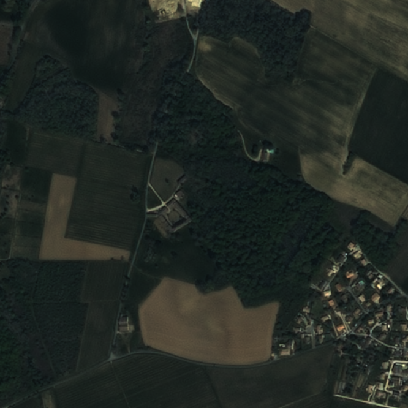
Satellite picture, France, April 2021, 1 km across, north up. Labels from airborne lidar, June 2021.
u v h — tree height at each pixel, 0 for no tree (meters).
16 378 18
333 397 0
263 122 0
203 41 0
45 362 0
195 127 20
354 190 0
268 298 16
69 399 0
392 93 0
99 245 0
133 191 0
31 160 0
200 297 0
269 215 24
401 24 0
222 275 17
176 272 0
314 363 0
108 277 0
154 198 0
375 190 0
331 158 0
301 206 21
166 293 0
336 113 0
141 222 0
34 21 0
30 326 9
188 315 0
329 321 7
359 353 12
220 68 0
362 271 8
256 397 0
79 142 0
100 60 0
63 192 0
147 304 0
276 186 21
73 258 0
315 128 0
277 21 9
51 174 0
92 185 0
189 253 0
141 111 0
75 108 19
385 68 0
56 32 0
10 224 0
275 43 16
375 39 0
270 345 0
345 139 0
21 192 0
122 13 0
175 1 0
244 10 17
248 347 0
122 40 0
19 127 0
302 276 20
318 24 0
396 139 0
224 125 20
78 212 0
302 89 0
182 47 0
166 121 18
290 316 0
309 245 25
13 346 23
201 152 10
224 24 18
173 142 15
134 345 0
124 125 0
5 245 9
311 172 0
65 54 0
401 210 0
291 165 0
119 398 0
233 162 17
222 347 0
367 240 18
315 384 0
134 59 0
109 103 0
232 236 20
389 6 0
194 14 0
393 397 6
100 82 0
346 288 0
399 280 0
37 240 0
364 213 13
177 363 0
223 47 0
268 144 13
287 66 17
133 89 0
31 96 7
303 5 0
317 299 7
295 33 12
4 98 10
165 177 0
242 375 0
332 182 0
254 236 22
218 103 15
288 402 0
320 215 18
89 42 0
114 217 0
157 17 0
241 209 19
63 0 0
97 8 0
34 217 0
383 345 0
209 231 19
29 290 6
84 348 0
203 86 10
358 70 0
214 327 0
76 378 0
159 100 0
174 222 6
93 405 0
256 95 0
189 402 0
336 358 0
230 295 0
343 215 0
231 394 0
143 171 0
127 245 0
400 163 0
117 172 0
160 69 0
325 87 0
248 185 21
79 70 0
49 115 20
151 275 0
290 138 0
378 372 0
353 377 9
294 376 0
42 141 0
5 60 0
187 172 15
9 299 14
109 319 0
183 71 14
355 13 0
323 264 13
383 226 0
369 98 0
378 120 0
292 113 0
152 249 10
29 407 0
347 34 0
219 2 15
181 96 12
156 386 0
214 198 10
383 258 19
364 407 0
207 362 0
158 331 0
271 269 22
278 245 17
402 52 0
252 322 0
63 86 15
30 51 0
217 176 18
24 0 26
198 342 0
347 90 0
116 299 0
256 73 0
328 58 0
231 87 0
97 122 18
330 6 0
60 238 0
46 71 9
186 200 0
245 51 0
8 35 0
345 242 8
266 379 0
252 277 19
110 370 0
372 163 0
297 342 7
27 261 10
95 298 0
